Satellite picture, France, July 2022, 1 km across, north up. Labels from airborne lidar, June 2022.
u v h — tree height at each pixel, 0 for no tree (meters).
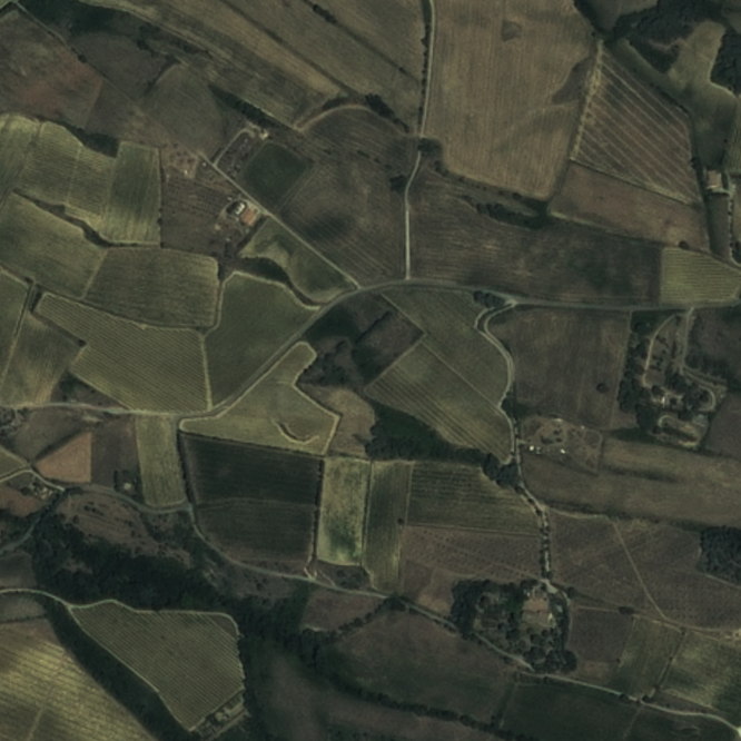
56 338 0
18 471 0
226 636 0
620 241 0
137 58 0
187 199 0
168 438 0
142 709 10
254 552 0
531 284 0
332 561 0
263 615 10
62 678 0
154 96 0
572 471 0
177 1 0
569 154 0
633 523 0
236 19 0
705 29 0
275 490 0
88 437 0
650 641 0
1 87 0
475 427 0
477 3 0
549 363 0
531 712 0
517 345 0
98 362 0
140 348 0
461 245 0
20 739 0
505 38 0
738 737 0
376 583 0
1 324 0
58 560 15
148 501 0
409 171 0
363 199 0
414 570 0
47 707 0
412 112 0
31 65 0
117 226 0
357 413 0
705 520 0
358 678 0
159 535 8
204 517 0
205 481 0
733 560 8
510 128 0
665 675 0
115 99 0
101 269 0
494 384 0
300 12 0
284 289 0
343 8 0
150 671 0
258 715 15
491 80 0
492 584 18
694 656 0
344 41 0
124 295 0
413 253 0
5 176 0
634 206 0
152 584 11
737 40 11
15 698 0
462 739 0
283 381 0
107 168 0
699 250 0
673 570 0
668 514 0
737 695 0
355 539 0
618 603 0
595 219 0
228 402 0
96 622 0
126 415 0
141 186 0
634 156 0
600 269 0
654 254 0
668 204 0
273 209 0
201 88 0
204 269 0
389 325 0
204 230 0
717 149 0
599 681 0
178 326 0
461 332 0
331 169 0
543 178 0
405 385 0
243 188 0
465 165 0
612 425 0
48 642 0
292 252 0
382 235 0
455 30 0
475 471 0
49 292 0
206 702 0
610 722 0
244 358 0
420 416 0
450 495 0
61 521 8
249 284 0
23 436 0
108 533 0
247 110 11
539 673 12
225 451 0
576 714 0
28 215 0
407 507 0
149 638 0
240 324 0
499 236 0
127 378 0
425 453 8
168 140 0
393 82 0
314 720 0
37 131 0
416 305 0
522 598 11
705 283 0
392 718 0
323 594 0
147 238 0
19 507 0
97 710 0
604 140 0
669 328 0
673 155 0
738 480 0
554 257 0
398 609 10
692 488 0
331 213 0
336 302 0
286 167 0
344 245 0
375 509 0
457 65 0
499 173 0
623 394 6
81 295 0
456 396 0
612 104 0
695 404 10
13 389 0
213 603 13
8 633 0
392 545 0
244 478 0
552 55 0
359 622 9
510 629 8
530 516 0
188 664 0
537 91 0
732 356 0
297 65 0
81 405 0
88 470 0
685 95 0
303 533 0
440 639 0
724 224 0
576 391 0
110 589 21
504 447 0
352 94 0
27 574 0
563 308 0
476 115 0
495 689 0
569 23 0
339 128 0
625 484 0
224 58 0
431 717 6
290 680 0
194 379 0
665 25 10
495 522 0
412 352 0
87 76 0
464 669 0
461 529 0
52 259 0
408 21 0
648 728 0
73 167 0
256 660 0
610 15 0
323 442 0
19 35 0
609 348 0
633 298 0
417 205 0
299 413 0
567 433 0
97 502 0
